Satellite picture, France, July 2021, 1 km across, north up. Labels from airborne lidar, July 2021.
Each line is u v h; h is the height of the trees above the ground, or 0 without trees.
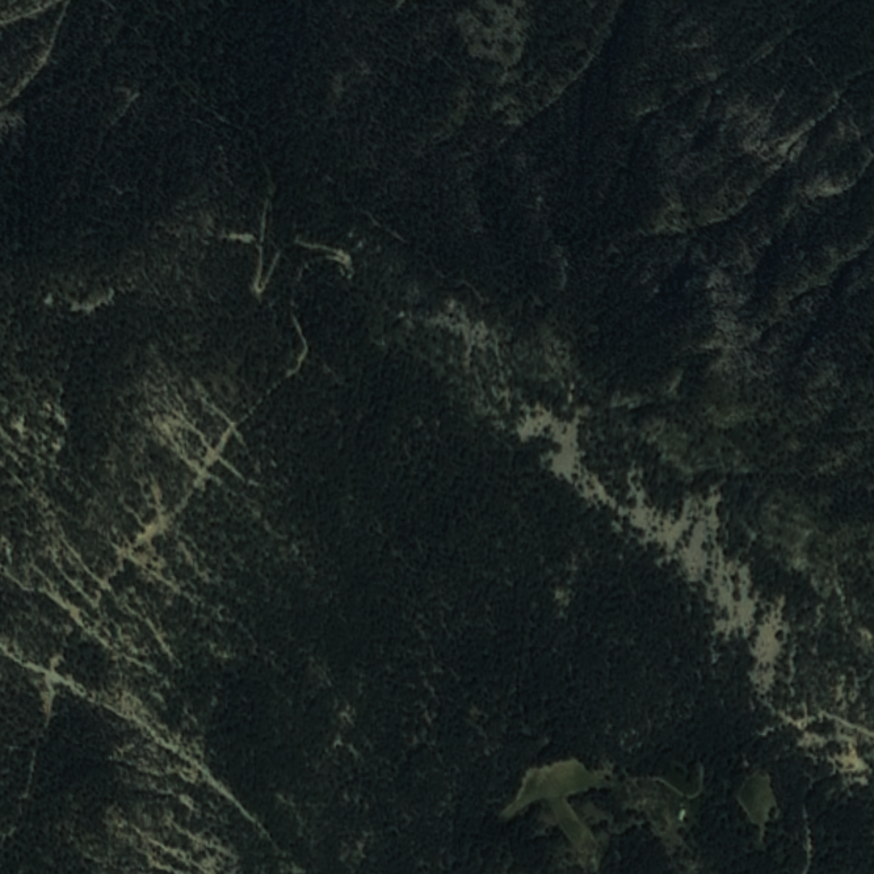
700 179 13
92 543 6
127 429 6
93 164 12
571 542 9
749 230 11
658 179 11
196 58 12
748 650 11
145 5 16
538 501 10
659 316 12
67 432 7
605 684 10
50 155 13
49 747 10
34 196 15
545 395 12
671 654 10
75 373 8
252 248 7
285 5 19
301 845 9
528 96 10
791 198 8
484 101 13
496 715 9
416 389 11
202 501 8
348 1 10
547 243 8
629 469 15
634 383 8
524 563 12
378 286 9
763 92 14
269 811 6
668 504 11
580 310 14
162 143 13
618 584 7
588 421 8
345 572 10
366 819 9
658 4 9
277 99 10
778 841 8
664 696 13
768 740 9
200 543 6
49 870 8
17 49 7
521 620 9
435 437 7
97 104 13
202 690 13
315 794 7
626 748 6
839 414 11
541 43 13
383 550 9
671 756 10
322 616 8
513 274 17
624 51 16
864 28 17
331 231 11
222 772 10
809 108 11
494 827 15
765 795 0
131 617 7
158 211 12
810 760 11
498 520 11
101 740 10
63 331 12
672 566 7
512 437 7
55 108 14
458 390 9
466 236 11
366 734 10
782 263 9
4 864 6
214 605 8
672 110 8
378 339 7
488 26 8
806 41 17
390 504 10
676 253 9
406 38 16
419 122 13
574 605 9
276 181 10
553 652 12
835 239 14
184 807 8
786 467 8
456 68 9
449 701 10
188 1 21
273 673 10
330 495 12
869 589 8
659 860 13
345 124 12
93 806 7
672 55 13
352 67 13
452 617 11
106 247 14
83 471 5
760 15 12
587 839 0
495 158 8
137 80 10
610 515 11
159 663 8
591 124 17
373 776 11
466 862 10
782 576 11
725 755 14
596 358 9
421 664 7
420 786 8
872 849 13
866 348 15
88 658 12
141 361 8
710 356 10
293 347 10
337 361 9
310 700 7
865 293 15
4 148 13
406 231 11
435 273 8
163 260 7
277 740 10
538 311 9
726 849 16
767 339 10
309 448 15
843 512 9
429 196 16
